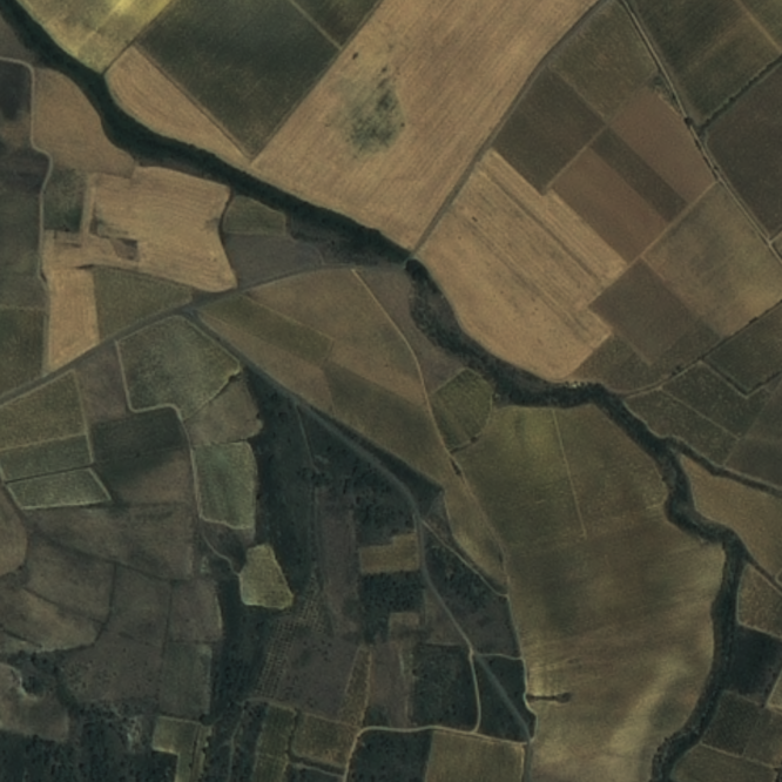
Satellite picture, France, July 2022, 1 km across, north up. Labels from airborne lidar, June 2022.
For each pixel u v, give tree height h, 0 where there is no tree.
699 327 0
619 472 0
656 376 0
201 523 0
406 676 0
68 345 0
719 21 0
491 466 0
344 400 0
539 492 0
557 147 0
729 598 8
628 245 0
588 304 0
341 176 0
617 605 0
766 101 0
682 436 0
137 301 0
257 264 0
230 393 0
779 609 0
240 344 0
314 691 0
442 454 0
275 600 0
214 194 0
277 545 0
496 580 0
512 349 0
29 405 0
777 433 0
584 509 0
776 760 0
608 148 0
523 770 0
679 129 0
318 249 0
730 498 0
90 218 0
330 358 0
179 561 0
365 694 0
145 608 0
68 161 0
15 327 0
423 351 0
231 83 0
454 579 10
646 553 0
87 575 0
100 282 0
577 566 0
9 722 0
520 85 0
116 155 0
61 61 10
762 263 0
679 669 0
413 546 0
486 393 0
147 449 0
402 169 0
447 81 0
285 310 0
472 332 0
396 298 0
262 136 0
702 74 0
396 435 0
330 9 0
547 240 0
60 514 0
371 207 0
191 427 0
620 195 0
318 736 0
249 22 0
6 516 0
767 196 0
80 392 0
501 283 0
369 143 0
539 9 0
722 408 0
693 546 0
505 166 0
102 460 0
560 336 0
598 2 0
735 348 0
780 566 0
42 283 0
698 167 0
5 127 0
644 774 0
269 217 0
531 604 0
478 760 0
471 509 0
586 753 0
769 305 0
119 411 0
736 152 0
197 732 0
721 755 0
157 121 0
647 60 0
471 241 0
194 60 0
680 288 0
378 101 0
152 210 0
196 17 0
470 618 0
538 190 0
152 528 0
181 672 0
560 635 0
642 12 0
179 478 0
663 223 0
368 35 0
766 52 0
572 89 0
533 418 0
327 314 0
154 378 0
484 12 0
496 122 0
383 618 0
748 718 0
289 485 0
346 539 0
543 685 0
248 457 0
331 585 0
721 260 0
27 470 0
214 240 0
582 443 0
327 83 0
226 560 0
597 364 0
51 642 0
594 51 0
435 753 0
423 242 0
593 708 0
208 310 0
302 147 0
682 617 0
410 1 0
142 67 0
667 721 0
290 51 0
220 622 0
